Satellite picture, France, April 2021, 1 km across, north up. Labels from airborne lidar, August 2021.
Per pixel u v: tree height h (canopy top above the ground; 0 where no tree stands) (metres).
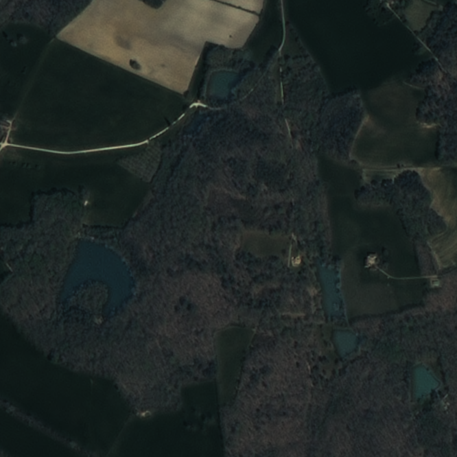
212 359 15
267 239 0
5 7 12
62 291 0
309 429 15
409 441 16
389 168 0
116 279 0
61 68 0
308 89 12
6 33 0
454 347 20
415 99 0
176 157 6
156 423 0
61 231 19
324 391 15
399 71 0
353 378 23
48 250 26
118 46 0
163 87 0
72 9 21
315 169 21
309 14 0
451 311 16
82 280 0
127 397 14
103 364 20
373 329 24
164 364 16
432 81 19
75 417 0
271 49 0
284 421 12
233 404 16
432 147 0
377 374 21
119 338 22
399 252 0
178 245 21
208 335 13
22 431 0
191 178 19
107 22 0
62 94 0
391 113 0
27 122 0
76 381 0
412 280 0
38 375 0
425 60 0
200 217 23
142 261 19
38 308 21
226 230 14
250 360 14
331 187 0
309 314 20
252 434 14
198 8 0
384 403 19
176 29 0
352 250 0
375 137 0
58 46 0
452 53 20
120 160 9
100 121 0
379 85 0
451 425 17
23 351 0
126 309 18
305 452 12
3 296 20
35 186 0
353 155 0
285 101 12
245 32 0
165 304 13
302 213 21
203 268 20
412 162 0
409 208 26
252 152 20
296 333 18
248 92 22
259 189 23
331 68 0
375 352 22
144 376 19
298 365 9
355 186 0
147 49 0
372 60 0
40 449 0
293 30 11
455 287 20
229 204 7
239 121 27
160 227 15
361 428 20
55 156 0
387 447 16
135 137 0
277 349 17
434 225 27
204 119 11
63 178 0
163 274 20
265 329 19
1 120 9
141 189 0
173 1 0
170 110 0
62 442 6
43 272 24
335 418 16
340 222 0
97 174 0
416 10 0
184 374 19
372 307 0
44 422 0
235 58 10
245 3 0
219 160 21
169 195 18
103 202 0
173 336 10
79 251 0
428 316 20
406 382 13
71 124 0
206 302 11
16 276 19
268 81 23
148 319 20
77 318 17
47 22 22
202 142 21
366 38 0
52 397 0
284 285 20
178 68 0
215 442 0
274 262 21
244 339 0
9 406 15
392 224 0
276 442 14
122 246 18
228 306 8
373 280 0
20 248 19
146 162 8
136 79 0
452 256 0
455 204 0
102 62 0
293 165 27
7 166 0
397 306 0
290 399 13
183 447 0
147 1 18
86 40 0
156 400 16
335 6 0
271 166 18
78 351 23
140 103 0
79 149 0
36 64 0
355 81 0
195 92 0
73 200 26
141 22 0
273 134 20
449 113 23
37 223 22
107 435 0
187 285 13
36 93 0
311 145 26
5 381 0
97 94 0
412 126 0
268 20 0
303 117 24
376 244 0
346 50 0
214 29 0
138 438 0
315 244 13
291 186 21
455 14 22
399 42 0
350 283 0
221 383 0
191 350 16
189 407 0
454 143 18
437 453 17
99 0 0
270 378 14
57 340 21
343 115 18
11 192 0
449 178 0
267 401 13
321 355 0
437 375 0
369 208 0
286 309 21
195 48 0
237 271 12
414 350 19
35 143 0
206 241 17
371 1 9
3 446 0
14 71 0
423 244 25
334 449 15
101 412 0
